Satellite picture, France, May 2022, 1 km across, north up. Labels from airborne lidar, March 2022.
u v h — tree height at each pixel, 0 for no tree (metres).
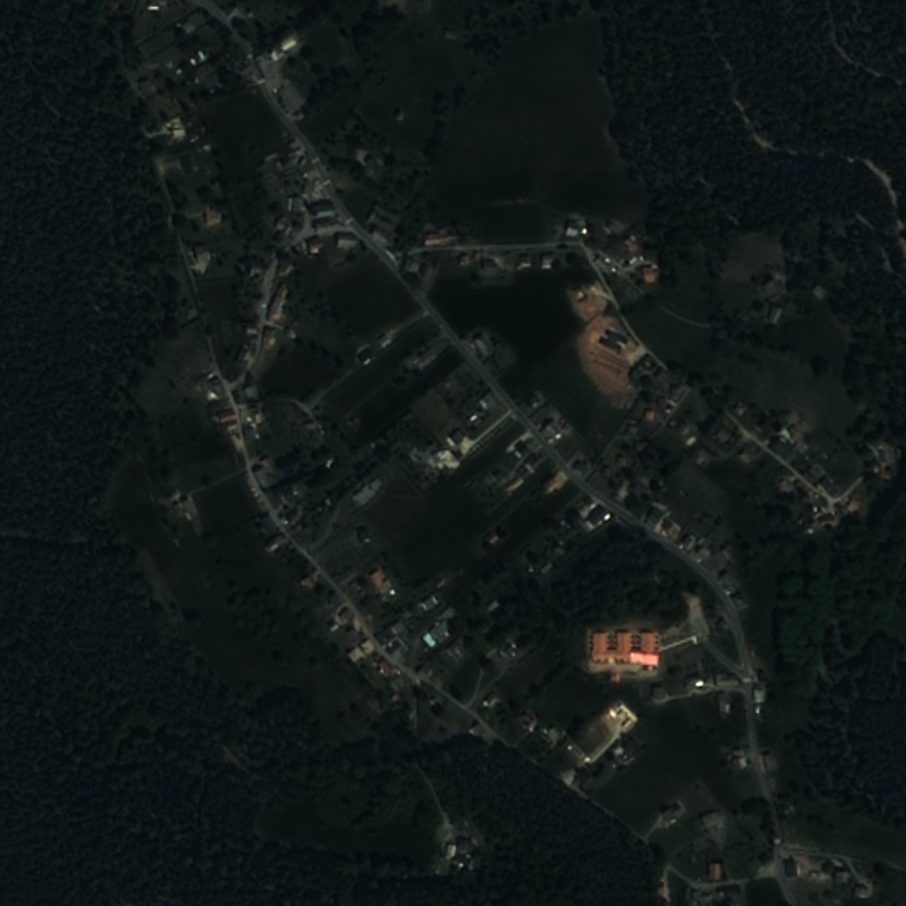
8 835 27
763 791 0
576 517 14
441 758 22
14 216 24
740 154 24
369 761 22
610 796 0
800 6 29
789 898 0
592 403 0
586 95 0
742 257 0
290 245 0
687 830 0
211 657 0
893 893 0
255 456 0
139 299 26
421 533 0
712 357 0
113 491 0
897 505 31
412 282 14
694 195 28
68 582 28
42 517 24
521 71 0
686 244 24
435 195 0
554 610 0
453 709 0
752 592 0
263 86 0
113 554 29
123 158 16
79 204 27
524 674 0
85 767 28
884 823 11
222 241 0
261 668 0
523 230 0
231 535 0
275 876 31
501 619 15
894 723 23
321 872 33
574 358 0
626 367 0
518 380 0
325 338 0
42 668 33
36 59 11
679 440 0
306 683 0
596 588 24
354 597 0
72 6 24
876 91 24
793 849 0
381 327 0
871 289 24
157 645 30
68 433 21
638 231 5
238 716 22
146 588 16
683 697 0
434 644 0
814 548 19
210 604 0
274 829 0
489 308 0
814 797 23
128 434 14
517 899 22
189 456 0
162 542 0
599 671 0
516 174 0
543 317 0
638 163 25
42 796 29
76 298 24
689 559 0
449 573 0
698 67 24
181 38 14
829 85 25
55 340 25
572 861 19
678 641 0
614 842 20
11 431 24
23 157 29
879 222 22
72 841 25
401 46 0
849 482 0
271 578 0
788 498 16
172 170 0
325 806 0
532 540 0
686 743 0
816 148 24
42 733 29
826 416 0
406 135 0
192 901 26
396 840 0
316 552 0
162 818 29
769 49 27
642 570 26
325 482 17
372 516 0
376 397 0
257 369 0
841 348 0
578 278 0
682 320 0
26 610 29
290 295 8
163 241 18
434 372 0
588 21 0
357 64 0
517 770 24
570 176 0
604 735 0
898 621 0
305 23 21
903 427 25
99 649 20
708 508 0
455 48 0
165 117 15
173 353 0
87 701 34
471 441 0
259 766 24
